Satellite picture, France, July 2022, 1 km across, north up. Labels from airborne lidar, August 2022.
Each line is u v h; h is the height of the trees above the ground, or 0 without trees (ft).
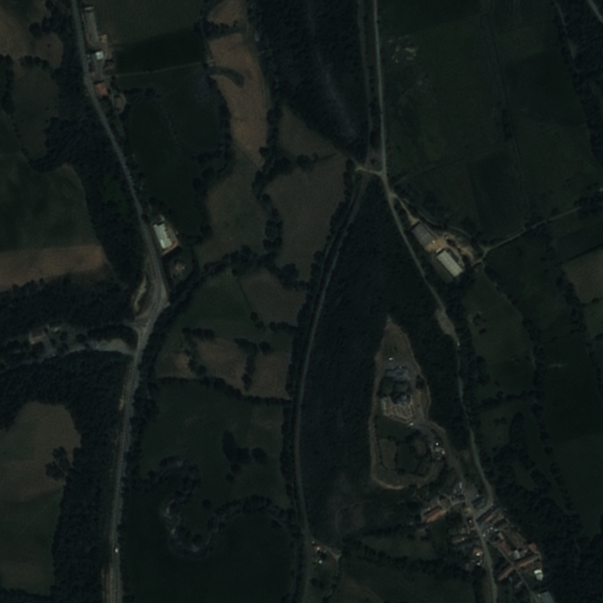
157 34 0
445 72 0
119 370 42
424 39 0
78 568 50
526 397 37
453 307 51
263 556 0
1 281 0
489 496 0
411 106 0
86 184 52
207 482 0
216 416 0
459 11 0
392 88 0
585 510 0
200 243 45
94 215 56
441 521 0
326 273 27
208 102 0
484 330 26
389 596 0
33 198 0
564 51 38
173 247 0
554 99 0
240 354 0
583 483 0
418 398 0
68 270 0
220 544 0
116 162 19
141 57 0
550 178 0
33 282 28
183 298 42
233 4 0
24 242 0
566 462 0
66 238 0
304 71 22
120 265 53
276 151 42
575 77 59
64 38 43
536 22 0
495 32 0
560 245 0
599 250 22
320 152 0
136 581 0
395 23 0
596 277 0
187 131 0
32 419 0
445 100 0
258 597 0
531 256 0
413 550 0
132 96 26
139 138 0
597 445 0
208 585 0
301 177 0
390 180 23
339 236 25
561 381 0
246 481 0
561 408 0
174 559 0
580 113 0
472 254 0
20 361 60
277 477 0
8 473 0
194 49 0
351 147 23
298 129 0
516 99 0
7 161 0
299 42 27
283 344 0
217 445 0
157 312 0
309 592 0
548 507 67
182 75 0
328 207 0
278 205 0
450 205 0
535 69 0
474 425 48
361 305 0
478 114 0
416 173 0
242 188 0
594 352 45
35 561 0
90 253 0
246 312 0
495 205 0
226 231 0
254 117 0
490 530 0
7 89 38
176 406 0
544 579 39
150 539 0
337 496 0
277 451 0
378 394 35
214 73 0
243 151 0
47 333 33
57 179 0
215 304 0
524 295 0
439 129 0
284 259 0
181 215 0
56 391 43
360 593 0
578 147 0
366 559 24
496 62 0
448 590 0
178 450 0
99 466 53
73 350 0
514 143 0
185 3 0
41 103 0
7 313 67
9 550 0
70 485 48
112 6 0
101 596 20
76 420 46
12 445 0
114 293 46
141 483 55
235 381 0
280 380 0
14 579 0
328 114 20
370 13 0
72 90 25
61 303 53
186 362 0
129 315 47
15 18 0
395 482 0
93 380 62
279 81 23
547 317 0
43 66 49
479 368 55
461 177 0
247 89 0
